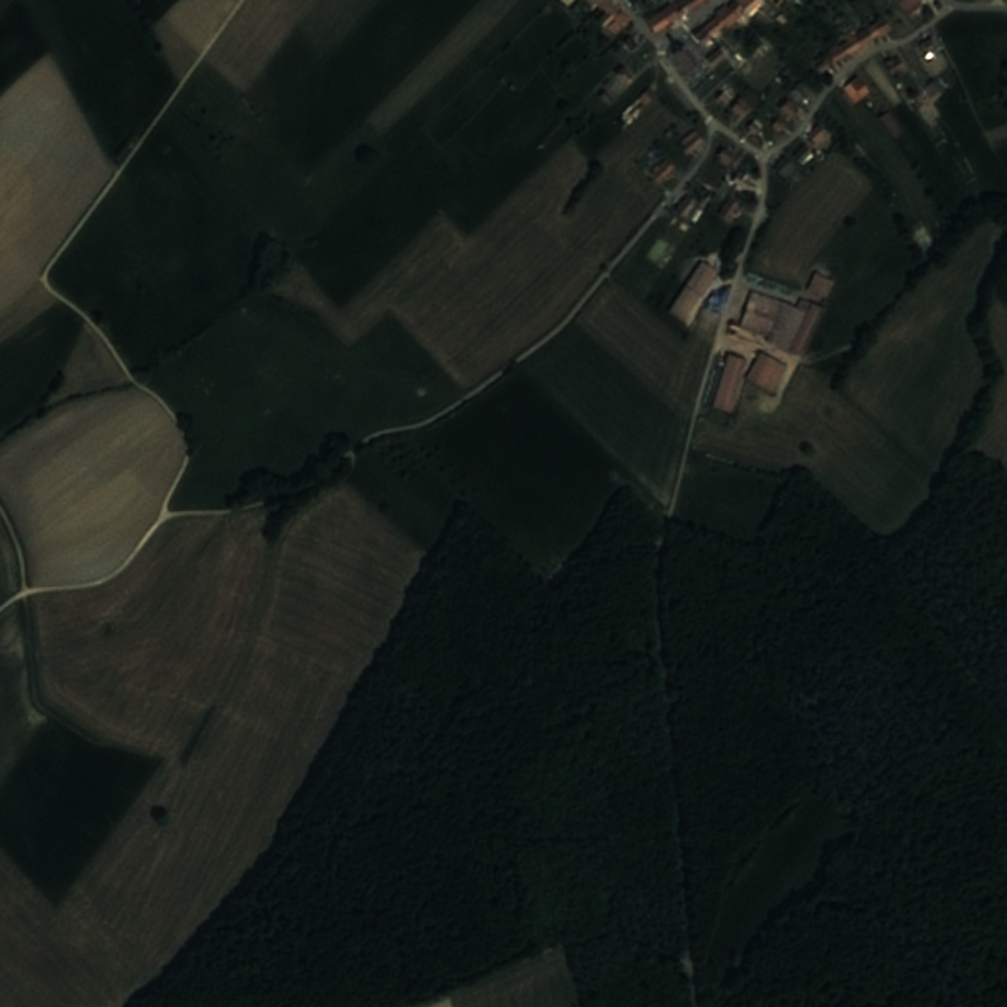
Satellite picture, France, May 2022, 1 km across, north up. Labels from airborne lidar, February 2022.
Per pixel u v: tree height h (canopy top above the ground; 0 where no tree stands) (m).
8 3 0
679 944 15
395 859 22
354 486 0
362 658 0
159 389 0
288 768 0
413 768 12
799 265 0
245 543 0
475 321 0
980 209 15
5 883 0
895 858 9
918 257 12
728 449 0
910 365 0
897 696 19
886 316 6
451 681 12
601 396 0
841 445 0
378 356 0
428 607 16
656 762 18
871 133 0
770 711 19
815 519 14
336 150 0
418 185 0
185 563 0
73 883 0
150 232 0
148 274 0
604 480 0
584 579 17
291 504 14
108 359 0
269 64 0
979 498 13
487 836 20
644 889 20
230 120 0
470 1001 0
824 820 0
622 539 16
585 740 18
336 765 10
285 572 0
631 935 18
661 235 0
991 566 11
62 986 0
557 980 0
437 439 0
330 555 0
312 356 0
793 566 14
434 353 0
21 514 0
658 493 0
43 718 0
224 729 0
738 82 0
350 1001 18
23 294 0
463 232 0
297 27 0
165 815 12
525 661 18
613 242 0
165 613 0
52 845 0
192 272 0
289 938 23
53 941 0
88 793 0
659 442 0
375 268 0
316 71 0
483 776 20
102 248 0
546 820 14
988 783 6
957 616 12
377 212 0
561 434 0
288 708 0
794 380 0
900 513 0
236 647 0
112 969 0
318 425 0
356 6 0
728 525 0
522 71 0
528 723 21
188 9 0
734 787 17
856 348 13
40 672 0
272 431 0
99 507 0
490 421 0
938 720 21
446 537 13
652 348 0
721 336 0
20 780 0
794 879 0
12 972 0
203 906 0
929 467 0
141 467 0
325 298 0
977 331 16
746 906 0
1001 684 17
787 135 0
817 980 20
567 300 0
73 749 0
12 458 0
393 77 0
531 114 0
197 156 0
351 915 23
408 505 0
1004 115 0
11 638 0
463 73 0
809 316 0
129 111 0
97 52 0
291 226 0
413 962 21
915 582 20
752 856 6
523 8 0
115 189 0
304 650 0
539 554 0
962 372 0
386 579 0
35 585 0
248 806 0
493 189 0
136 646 0
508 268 0
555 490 0
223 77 0
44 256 0
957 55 0
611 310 0
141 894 0
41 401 7
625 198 0
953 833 6
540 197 0
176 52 0
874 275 0
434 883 22
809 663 21
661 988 11
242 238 0
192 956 11
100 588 0
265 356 0
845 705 23
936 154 0
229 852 0
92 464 0
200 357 0
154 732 0
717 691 18
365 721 13
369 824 18
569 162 0
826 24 0
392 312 0
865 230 0
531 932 15
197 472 0
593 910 13
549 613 14
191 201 0
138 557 0
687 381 0
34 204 0
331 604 0
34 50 0
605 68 0
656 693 22
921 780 13
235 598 0
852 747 22
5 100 0
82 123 0
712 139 0
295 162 0
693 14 0
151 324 0
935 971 18
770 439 0
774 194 0
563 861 13
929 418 0
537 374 0
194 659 0
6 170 0
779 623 16
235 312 0
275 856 17
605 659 14
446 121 0
